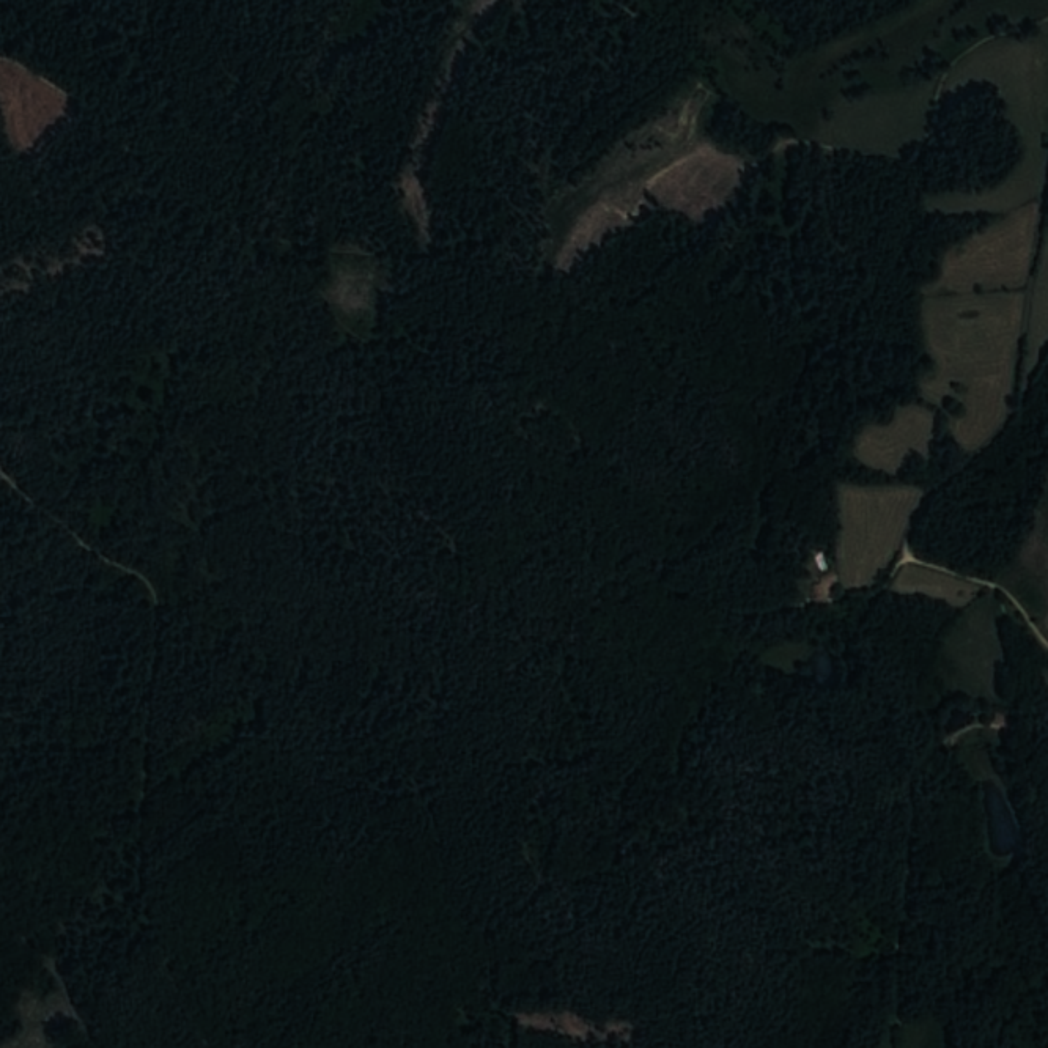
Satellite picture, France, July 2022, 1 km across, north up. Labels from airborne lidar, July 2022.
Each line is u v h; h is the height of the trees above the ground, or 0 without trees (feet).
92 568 61
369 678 60
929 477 47
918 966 109
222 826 62
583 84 73
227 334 77
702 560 100
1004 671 66
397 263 74
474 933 62
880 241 64
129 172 102
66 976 94
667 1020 50
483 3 0
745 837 74
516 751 58
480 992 62
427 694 18
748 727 68
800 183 77
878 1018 116
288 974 60
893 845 103
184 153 67
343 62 95
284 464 59
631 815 51
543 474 57
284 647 72
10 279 59
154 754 87
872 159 38
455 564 68
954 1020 101
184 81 55
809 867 88
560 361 54
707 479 77
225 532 58
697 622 78
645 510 58
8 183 44
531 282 73
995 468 27
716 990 58
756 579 103
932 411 34
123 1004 54
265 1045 69
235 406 27
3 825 45
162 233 99
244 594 68
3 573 67
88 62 77
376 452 75
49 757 59
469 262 73
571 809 78
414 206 0
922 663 66
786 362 89
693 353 83
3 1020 77
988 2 0
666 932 61
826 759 96
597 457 65
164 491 54
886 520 0
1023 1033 26
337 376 61
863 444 0
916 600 39
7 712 77
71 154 70
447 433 71
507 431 65
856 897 114
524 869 52
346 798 66
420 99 60
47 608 82
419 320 59
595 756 58
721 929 60
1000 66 0
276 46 68
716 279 82
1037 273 24
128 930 51
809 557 51
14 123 0
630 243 50
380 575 63
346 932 60
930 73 41
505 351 55
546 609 76
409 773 68
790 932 69
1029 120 0
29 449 70
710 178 0
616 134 74
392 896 71
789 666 0
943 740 31
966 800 73
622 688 63
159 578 25
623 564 69
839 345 97
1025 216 0
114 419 83
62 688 63
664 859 80
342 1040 61
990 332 0
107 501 79
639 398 69
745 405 106
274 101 73
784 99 0
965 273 0
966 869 81
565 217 0
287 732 78
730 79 0
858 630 52
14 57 82
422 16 75
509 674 71
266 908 47
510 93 85
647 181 0
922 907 89
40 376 74
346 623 74
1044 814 63
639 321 63
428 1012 68
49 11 87
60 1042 84
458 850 64
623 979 69
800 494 52
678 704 62
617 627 59
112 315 111
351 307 0
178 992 57
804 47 63
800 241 46
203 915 67
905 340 57
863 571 0
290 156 39
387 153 73
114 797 67
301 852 68
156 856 75
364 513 68
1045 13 0
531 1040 67
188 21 73
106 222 95
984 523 54
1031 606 0
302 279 84
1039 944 35
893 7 78
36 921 55
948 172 79
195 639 69
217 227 91
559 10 62
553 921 48
